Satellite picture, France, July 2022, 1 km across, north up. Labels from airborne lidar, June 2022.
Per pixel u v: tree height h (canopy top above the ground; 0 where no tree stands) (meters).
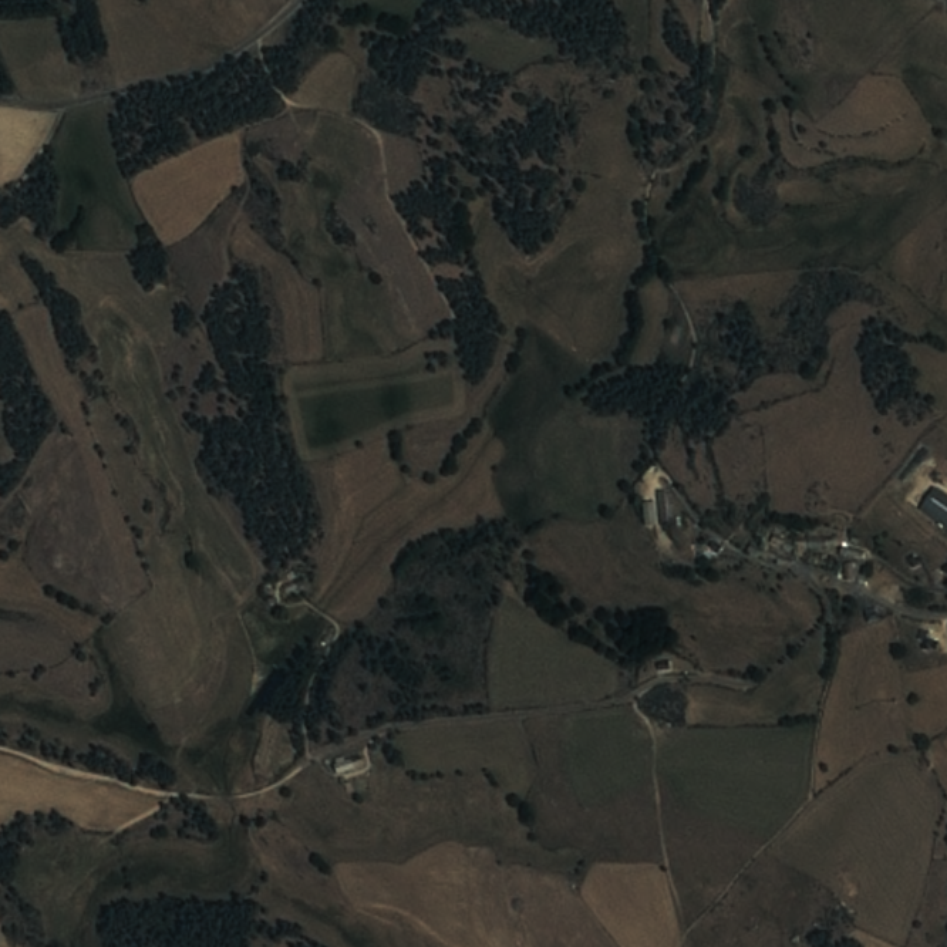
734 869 0
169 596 0
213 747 0
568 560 0
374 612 0
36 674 8
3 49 0
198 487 0
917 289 0
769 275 0
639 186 0
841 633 8
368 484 0
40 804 0
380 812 0
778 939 0
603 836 0
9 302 0
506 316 0
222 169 0
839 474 0
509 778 0
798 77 0
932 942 0
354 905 0
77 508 0
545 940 0
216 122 18
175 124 21
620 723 0
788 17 0
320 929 0
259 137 0
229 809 0
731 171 0
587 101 0
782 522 17
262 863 0
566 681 0
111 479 0
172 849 0
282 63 16
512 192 18
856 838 0
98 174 0
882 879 0
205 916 21
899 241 0
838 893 0
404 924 0
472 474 0
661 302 0
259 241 0
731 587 0
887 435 0
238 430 17
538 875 0
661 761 0
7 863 22
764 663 0
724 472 0
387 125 0
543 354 0
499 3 15
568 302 0
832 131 0
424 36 15
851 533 7
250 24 0
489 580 0
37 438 16
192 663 0
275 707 22
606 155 0
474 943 0
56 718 0
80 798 0
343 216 0
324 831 0
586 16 19
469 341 18
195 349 6
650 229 10
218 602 0
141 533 9
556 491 0
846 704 0
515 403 0
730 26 0
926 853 0
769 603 0
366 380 0
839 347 0
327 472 0
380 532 0
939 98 0
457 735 0
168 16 0
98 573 0
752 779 0
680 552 0
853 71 0
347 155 0
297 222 0
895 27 0
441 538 11
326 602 0
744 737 0
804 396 0
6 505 0
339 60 0
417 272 0
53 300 9
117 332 0
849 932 0
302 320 0
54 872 0
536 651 0
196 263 0
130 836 0
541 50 0
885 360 14
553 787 0
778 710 0
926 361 0
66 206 0
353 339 0
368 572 0
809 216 0
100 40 15
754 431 0
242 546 0
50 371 0
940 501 0
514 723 0
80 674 0
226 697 0
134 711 0
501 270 0
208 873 0
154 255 15
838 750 0
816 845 0
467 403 0
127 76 0
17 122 0
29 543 0
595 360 0
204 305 0
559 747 0
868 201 0
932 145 0
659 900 0
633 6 0
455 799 0
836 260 0
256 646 0
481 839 0
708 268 0
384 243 0
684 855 0
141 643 0
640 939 0
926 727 0
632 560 0
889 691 0
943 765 0
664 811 0
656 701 0
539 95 8
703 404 13
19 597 0
